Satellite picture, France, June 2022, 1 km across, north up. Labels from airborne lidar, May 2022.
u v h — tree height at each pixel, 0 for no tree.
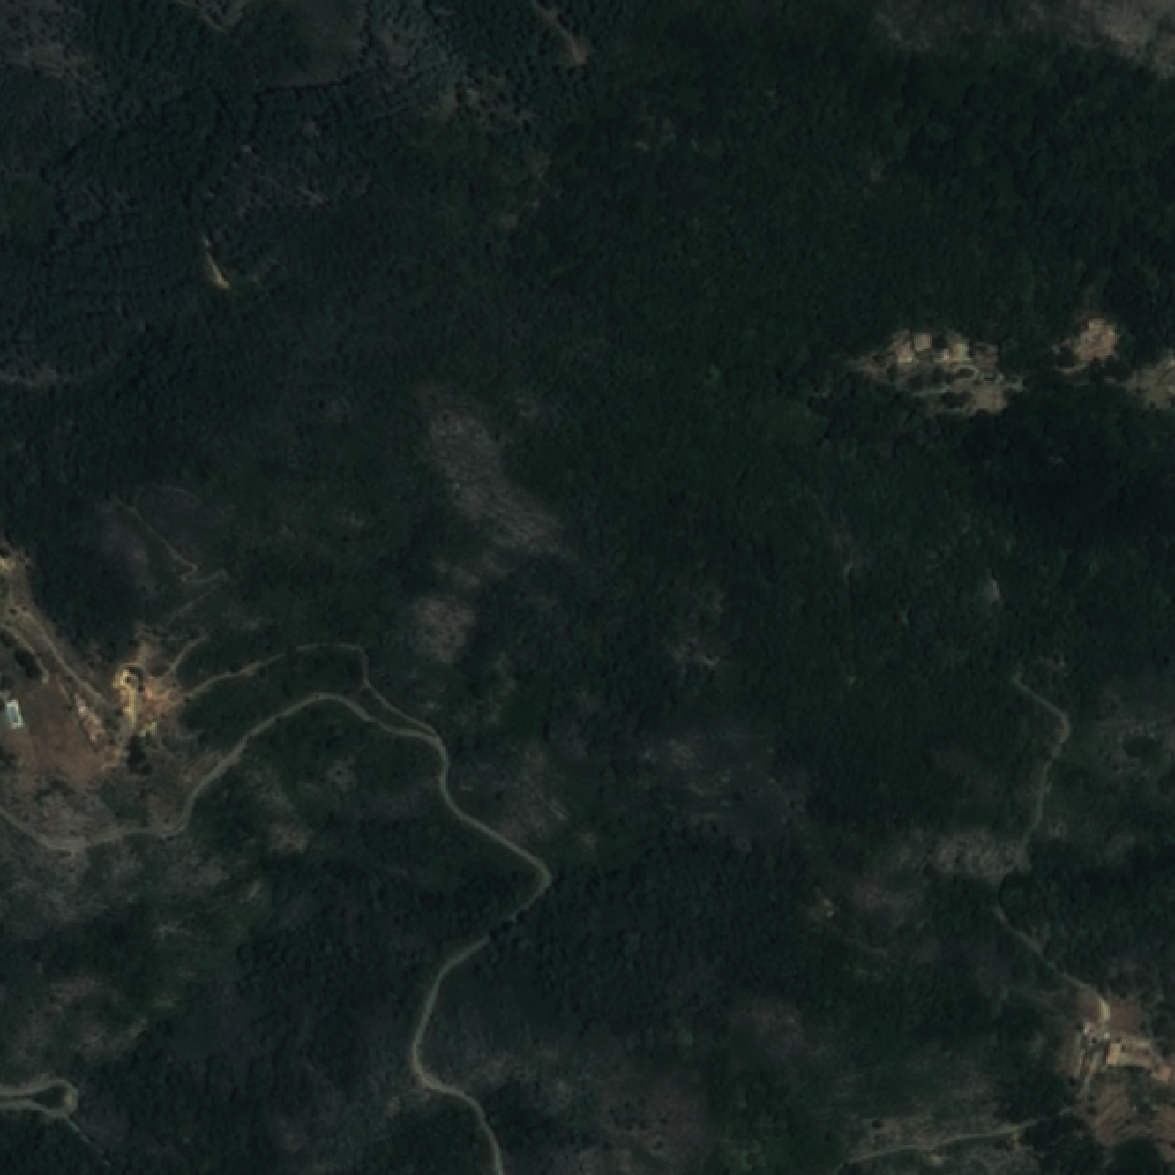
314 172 18
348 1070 7
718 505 6
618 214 9
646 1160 0
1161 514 19
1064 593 14
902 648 21
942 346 11
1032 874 15
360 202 20
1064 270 13
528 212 10
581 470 21
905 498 12
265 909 6
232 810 7
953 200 21
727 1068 9
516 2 18
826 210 14
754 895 12
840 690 11
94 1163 11
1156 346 11
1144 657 9
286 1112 8
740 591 11
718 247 18
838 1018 8
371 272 12
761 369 23
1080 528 14
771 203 12
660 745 0
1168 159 14
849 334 22
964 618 13
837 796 16
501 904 7
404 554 13
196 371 29
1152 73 8
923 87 17
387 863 11
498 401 9
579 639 7
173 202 19
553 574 7
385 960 8
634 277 17
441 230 14
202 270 18
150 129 21
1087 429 14
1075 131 19
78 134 19
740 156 13
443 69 11
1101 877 20
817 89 15
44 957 15
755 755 0
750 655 13
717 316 19
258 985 10
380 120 20
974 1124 0
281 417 7
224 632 9
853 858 7
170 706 0
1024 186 13
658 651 9
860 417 18
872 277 17
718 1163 9
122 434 12
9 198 10
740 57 11
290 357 13
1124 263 12
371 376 14
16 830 0
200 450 14
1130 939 7
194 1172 7
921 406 14
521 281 13
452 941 11
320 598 9
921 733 8
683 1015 6
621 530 15
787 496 18
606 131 10
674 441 21
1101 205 14
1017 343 13
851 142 18
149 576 0
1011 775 7
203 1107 9
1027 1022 8
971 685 16
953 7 7
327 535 10
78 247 13
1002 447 13
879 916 0
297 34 11
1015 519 12
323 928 8
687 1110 0
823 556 12
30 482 17
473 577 0
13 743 0
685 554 9
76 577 13
